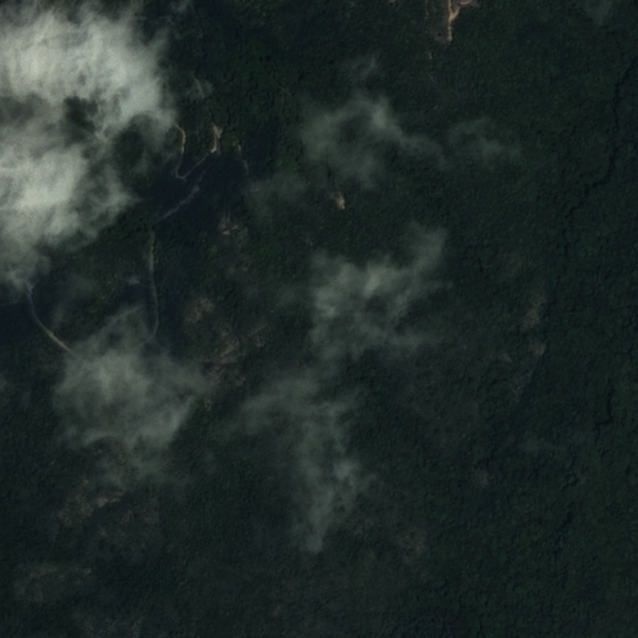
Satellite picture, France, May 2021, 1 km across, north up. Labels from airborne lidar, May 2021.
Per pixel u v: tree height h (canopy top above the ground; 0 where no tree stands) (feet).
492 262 35
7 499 41
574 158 40
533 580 59
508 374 31
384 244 31
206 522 28
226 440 32
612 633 28
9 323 19
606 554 48
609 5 30
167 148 34
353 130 62
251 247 26
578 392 39
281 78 48
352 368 70
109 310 26
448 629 84
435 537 42
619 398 59
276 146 63
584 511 72
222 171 34
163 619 29
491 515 26
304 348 26
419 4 21
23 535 37
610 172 43
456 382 33
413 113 24
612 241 53
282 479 28
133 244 31
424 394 25
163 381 26
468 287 49
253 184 25
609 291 23
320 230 23
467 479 38
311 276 35
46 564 22
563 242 21
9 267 29
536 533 49
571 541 64
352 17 23
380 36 23
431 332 32
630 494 31
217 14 77
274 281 37
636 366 55
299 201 24
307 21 31
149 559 24
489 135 25
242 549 21
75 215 27
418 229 23
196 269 44
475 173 28
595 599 32
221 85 45
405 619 46
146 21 49
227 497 31
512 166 30
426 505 27
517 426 26
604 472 51
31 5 27
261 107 45
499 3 24
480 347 22
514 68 28
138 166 25
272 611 21
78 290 28
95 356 19
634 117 64
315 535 20
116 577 38
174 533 19
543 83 31
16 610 37
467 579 42
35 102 23
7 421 28
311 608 36
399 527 24
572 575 59
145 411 31
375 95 31
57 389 27
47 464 27
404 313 32
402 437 21
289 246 19
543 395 59
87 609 31
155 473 26
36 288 30
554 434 37
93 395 19
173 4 22
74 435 23
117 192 48
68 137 21
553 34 33
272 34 48
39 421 27
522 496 42
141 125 25
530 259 29
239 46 45
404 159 65
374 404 40
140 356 33
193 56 55
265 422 20
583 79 39
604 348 42
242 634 20
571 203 56
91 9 19
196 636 30
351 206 34
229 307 42
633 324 49
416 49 24
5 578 51
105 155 23
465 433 26
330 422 27
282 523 25
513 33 30
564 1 66
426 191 38
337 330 58
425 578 20
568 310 51
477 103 29
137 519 30
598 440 46
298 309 45
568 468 51
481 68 27
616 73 58
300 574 28
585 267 43
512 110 49
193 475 38
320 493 29
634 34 49
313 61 67
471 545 33
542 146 45
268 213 41
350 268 17
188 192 19
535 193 41
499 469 33
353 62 31
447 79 30
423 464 29
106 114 31
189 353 28
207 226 23
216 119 45
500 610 41
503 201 26
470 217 29
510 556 34
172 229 60
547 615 28
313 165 26
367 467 22
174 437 29
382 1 21
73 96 18
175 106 26
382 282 25
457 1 0
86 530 38
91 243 35
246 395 23
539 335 36
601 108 37
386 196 31
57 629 35
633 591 44
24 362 35
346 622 26
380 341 34
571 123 44
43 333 33
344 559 31
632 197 27
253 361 36
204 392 23
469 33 32
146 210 49
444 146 30
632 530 30
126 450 0
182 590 19
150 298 33
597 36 36
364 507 30
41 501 29
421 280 33
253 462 27
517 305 46
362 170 22
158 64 45
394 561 22
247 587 30
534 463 33
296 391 20
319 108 47
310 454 29
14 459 29
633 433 45
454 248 45
